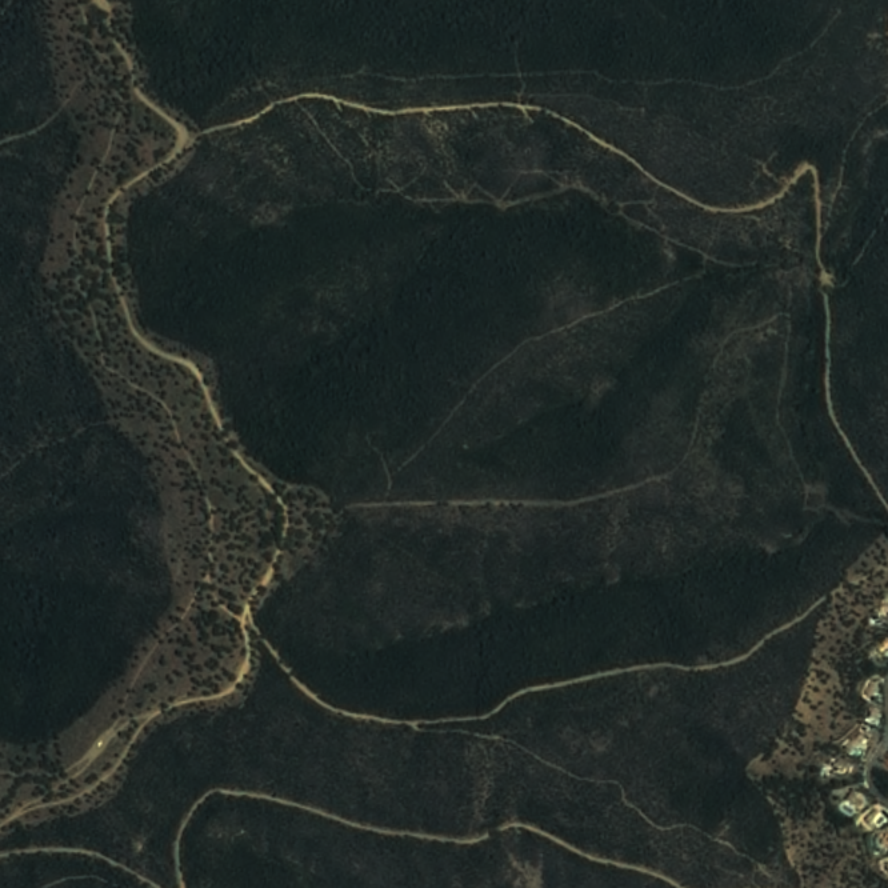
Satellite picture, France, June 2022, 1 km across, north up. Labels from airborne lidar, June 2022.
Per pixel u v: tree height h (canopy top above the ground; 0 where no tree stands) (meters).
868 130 6
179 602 0
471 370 6
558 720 5
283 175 6
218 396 8
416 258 7
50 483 6
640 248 10
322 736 5
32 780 8
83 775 0
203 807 11
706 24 10
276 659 6
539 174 0
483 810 5
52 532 8
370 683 7
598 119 0
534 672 6
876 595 6
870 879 7
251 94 8
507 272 8
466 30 7
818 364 6
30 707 5
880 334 5
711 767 7
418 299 7
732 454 6
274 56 6
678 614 7
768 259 8
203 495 7
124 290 7
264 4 6
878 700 13
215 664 7
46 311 7
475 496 0
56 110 0
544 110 6
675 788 6
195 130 8
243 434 8
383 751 0
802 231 0
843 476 7
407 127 0
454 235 7
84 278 8
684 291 8
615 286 10
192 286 9
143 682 0
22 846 6
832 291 9
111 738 0
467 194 0
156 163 6
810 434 11
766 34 7
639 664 6
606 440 6
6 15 6
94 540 7
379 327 8
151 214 10
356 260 9
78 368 7
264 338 6
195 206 10
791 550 9
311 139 7
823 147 9
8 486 7
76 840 6
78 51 6
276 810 7
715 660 6
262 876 7
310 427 7
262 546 10
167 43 7
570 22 6
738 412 7
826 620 6
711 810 7
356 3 6
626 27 9
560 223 8
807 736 7
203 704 7
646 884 0
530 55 7
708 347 0
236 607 9
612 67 6
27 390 7
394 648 6
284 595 8
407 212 7
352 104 0
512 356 0
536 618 8
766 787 8
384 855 6
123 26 8
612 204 8
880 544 6
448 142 7
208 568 6
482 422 7
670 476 0
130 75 7
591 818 6
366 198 10
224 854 8
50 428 6
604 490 0
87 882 7
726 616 6
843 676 7
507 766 7
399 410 8
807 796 6
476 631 5
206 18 8
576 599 10
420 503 0
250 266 6
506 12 7
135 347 7
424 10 9
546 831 8
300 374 6
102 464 7
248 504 7
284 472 8
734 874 0
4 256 8
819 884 7
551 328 0
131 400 6
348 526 5
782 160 7
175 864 9
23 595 7
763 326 0
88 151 0
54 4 7
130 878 7
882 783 10
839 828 6
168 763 6
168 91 9
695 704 7
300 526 8
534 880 0
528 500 0
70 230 0
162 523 0
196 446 0
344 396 7
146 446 6
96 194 7
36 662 10
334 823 6
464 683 7
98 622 6
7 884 8
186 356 8
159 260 9
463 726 6
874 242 7
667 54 6
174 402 0
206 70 12
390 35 9
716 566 9
